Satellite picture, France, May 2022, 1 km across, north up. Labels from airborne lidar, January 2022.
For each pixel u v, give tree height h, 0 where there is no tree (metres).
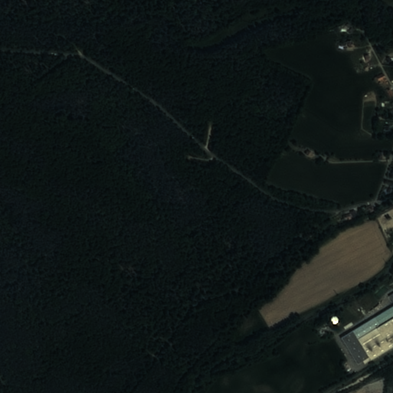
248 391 0
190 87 21
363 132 0
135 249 20
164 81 21
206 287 18
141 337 16
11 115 22
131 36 19
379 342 0
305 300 0
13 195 21
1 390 17
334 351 0
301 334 0
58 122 20
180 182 20
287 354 0
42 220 23
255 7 18
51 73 20
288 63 0
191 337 13
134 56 20
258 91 21
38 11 10
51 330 14
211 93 23
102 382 18
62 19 23
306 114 0
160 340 21
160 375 18
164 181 25
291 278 0
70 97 23
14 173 18
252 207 26
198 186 18
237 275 15
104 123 18
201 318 13
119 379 17
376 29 26
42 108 25
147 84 21
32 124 21
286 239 25
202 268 23
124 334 19
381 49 20
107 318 23
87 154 22
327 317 10
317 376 0
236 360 17
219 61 20
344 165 0
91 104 16
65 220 22
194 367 17
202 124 21
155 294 22
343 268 0
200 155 17
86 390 18
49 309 16
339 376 0
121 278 23
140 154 25
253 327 0
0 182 16
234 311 9
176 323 7
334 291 0
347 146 0
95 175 22
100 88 21
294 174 0
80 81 17
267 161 20
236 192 23
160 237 22
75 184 19
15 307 12
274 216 25
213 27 24
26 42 20
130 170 18
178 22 17
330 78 0
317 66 0
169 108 18
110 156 22
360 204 0
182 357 21
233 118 21
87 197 23
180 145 19
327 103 0
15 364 16
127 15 38
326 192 0
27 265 9
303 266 0
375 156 7
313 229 26
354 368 0
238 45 30
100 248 17
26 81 17
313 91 0
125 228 19
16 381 20
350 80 0
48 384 16
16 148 24
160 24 27
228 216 21
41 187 17
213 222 23
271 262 17
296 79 17
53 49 23
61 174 17
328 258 0
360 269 0
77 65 20
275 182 0
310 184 0
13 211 25
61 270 16
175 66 19
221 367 21
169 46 26
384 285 0
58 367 17
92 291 19
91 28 22
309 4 26
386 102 0
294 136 0
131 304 21
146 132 24
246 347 22
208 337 11
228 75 20
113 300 16
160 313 13
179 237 18
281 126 20
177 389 17
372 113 0
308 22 19
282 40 21
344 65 0
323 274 0
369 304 0
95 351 20
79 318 18
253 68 20
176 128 22
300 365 0
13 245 19
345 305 8
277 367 0
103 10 28
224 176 20
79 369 18
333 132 0
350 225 17
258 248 27
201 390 16
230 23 25
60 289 13
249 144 19
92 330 18
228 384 0
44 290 11
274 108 24
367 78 0
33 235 21
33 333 17
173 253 20
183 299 9
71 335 16
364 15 14
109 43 21
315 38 13
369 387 0
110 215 19
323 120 0
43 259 19
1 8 25
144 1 27
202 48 0
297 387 0
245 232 16
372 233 0
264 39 23
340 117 0
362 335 0
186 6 22
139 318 19
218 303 7
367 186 0
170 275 16
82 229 22
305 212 9
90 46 17
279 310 0
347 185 0
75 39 30
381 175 0
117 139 19
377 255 0
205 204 18
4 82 22
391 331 0
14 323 21
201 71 19
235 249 23
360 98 0
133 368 15
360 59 0
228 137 23
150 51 20
